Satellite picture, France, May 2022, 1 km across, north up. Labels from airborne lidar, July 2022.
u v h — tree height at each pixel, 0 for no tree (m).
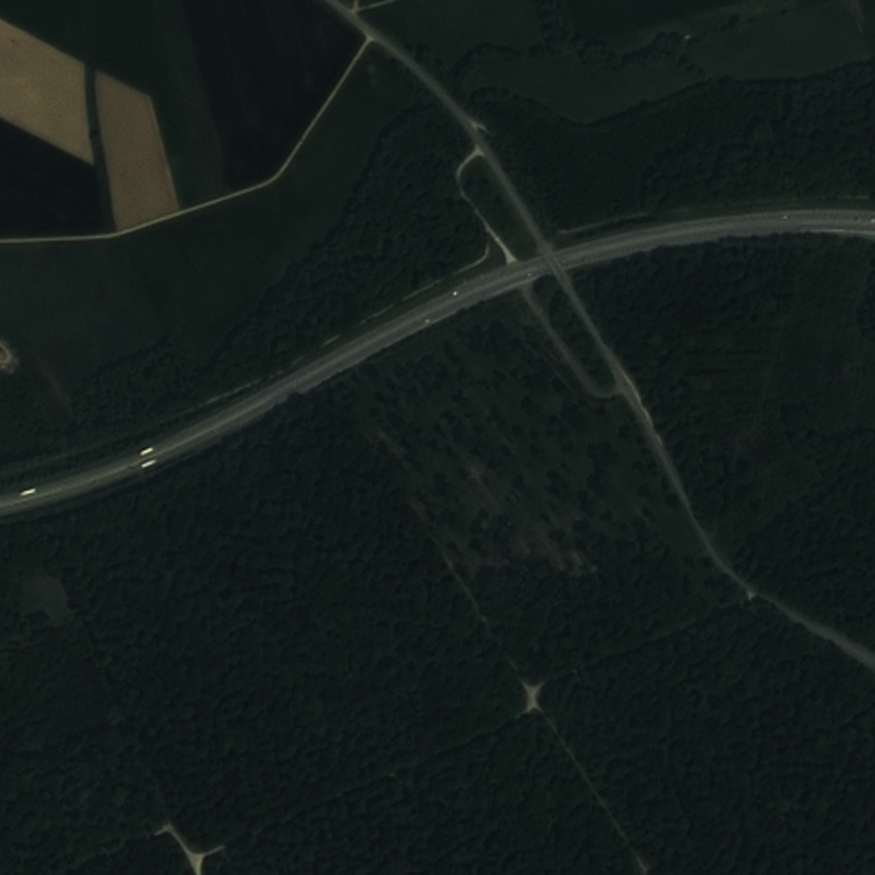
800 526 20
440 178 26
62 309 0
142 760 28
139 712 25
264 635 28
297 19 0
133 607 28
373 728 24
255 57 0
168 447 0
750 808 29
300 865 26
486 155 0
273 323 18
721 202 10
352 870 25
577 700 24
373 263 24
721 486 24
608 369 17
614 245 0
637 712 26
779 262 20
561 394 24
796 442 22
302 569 24
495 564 0
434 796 16
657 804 25
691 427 25
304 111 0
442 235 24
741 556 11
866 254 7
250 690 28
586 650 18
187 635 23
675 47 20
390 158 20
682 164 20
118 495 22
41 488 0
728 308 22
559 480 24
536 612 25
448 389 24
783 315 23
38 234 0
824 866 27
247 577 30
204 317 0
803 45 0
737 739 27
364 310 21
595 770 15
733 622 21
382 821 27
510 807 22
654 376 19
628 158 8
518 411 0
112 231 0
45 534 14
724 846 25
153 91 0
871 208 0
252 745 23
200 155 0
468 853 23
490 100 11
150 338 0
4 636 15
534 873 22
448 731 21
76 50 0
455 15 0
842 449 24
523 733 21
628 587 22
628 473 0
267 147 0
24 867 26
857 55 0
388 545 26
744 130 7
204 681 26
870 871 22
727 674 27
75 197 0
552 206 8
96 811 27
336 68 0
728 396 8
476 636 20
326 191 0
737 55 0
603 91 0
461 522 25
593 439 0
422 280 19
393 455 27
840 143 19
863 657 0
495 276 0
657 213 13
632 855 25
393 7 0
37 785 25
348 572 24
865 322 19
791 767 20
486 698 23
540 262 0
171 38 0
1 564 10
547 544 0
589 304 15
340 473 26
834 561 24
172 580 21
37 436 6
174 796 23
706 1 0
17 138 0
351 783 13
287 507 30
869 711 23
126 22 0
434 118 20
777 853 26
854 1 0
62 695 7
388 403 25
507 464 23
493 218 13
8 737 10
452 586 25
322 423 27
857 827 26
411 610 28
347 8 0
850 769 26
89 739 24
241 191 0
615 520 24
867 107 22
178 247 0
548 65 0
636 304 22
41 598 0
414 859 21
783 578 21
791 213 0
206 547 26
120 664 24
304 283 18
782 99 7
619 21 0
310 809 12
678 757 22
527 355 24
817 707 19
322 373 0
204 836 20
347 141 0
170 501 19
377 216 21
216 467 22
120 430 25
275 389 0
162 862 18
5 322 0
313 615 22
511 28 0
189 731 25
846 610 24
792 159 24
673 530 0
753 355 7
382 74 0
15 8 0
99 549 21
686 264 23
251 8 0
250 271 0
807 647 20
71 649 7
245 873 23
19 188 0
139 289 0
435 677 26
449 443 0
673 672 25
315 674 17
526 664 18
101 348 0
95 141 13
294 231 0
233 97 0
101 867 20
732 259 18
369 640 20
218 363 19
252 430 13
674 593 25
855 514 23
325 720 13
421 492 0
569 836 21
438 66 17
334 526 28
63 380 0
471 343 21
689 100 9
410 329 0
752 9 0
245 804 24
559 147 9
